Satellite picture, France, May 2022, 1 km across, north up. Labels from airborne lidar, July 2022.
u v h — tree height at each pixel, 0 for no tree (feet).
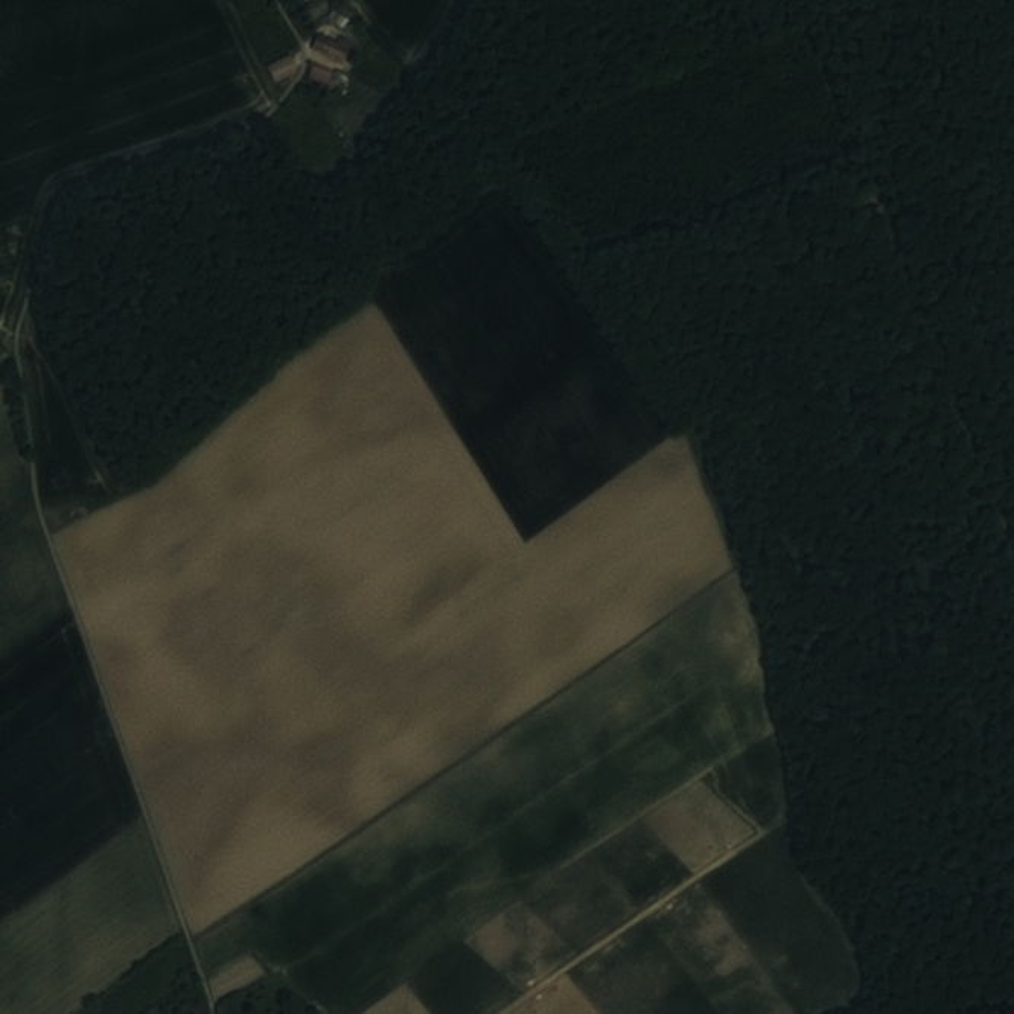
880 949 85
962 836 115
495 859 0
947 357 89
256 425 0
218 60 0
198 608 0
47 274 79
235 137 79
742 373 84
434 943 0
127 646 0
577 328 0
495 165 81
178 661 0
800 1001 0
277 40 0
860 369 84
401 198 86
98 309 87
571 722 0
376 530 0
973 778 104
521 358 0
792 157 30
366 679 0
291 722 0
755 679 0
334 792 0
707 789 0
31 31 0
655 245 87
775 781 0
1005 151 43
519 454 0
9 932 0
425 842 0
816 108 32
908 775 92
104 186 84
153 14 0
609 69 79
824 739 110
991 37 74
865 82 97
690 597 0
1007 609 91
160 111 0
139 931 0
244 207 88
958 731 94
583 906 0
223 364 84
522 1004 0
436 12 0
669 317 92
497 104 79
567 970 0
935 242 89
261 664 0
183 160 75
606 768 0
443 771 0
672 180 39
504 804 0
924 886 93
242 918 0
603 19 90
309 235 75
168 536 0
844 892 78
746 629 0
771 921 0
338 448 0
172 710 0
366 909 0
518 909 0
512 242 0
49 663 0
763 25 89
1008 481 69
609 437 0
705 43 82
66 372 66
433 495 0
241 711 0
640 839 0
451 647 0
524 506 0
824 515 104
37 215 0
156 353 89
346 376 0
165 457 76
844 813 100
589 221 41
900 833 94
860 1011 62
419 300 0
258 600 0
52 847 0
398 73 0
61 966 0
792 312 104
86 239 99
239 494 0
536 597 0
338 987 0
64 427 0
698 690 0
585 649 0
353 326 0
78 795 0
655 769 0
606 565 0
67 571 0
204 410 89
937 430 88
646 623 0
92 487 0
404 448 0
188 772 0
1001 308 88
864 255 100
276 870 0
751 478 84
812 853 96
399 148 86
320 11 0
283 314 78
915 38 105
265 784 0
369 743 0
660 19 98
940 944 91
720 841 0
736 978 0
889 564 103
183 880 0
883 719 99
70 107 0
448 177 81
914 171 94
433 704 0
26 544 0
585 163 34
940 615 103
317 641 0
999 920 104
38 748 0
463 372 0
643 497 0
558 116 89
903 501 97
